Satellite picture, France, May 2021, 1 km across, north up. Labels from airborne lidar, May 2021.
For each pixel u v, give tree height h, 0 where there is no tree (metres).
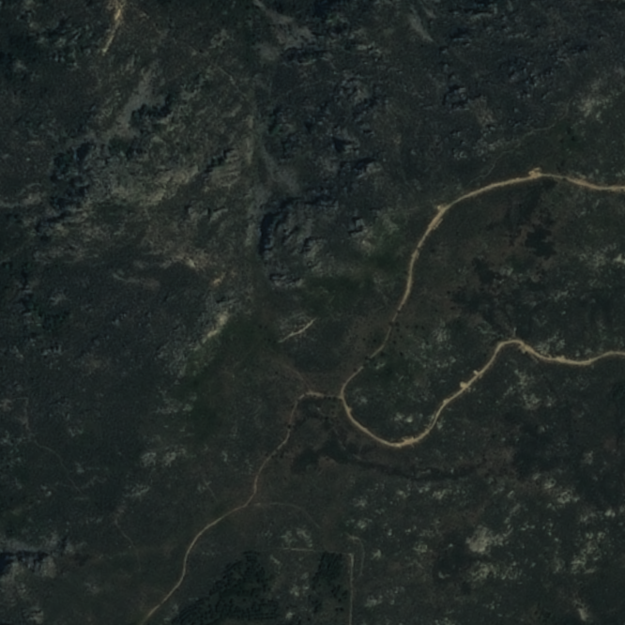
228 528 0
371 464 0
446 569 0
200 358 0
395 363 0
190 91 9
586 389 0
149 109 14
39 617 0
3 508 8
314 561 0
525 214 0
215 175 0
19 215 6
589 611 9
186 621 11
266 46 0
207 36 8
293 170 0
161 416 0
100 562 0
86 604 0
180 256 0
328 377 0
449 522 0
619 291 0
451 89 8
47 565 0
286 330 0
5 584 0
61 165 10
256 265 0
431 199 0
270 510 0
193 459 0
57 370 7
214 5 6
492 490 0
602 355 0
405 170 0
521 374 0
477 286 0
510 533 0
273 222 7
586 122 0
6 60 14
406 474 0
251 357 0
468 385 0
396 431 0
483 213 0
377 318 0
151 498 0
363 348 0
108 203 12
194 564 0
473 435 0
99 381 0
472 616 0
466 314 0
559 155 0
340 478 0
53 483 0
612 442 0
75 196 7
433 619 0
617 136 0
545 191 0
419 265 0
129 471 0
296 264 0
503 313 0
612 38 0
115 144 6
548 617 6
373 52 7
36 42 8
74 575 0
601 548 10
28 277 17
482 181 0
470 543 0
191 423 0
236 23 8
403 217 0
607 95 0
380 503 0
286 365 0
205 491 0
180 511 0
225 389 0
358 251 0
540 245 0
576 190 0
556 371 0
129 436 0
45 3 9
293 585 0
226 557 0
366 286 0
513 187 0
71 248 10
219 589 9
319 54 7
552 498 0
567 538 0
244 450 0
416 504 0
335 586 6
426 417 0
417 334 0
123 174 0
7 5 9
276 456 8
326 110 8
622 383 5
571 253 0
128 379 0
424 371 0
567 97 0
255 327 0
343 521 0
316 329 0
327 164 0
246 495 0
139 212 0
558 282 0
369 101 12
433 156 0
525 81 10
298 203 10
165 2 8
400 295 0
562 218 0
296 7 9
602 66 0
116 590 0
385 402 0
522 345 0
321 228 0
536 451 0
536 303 0
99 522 0
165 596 0
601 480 0
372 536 0
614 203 0
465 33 16
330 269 0
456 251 0
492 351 0
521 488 0
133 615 0
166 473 0
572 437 11
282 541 0
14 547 0
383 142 0
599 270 0
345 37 11
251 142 0
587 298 0
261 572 8
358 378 0
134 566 0
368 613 0
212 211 17
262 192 0
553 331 0
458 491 0
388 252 0
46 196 0
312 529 0
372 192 0
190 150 13
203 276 0
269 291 0
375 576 0
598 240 0
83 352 7
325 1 14
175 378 0
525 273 0
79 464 0
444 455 0
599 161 0
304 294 0
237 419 0
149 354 0
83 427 0
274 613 9
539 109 0
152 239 0
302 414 0
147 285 0
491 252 0
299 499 0
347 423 0
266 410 0
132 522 0
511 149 0
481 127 0
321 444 0
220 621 10
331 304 0
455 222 0
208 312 0
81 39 10
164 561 0
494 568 0
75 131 12
